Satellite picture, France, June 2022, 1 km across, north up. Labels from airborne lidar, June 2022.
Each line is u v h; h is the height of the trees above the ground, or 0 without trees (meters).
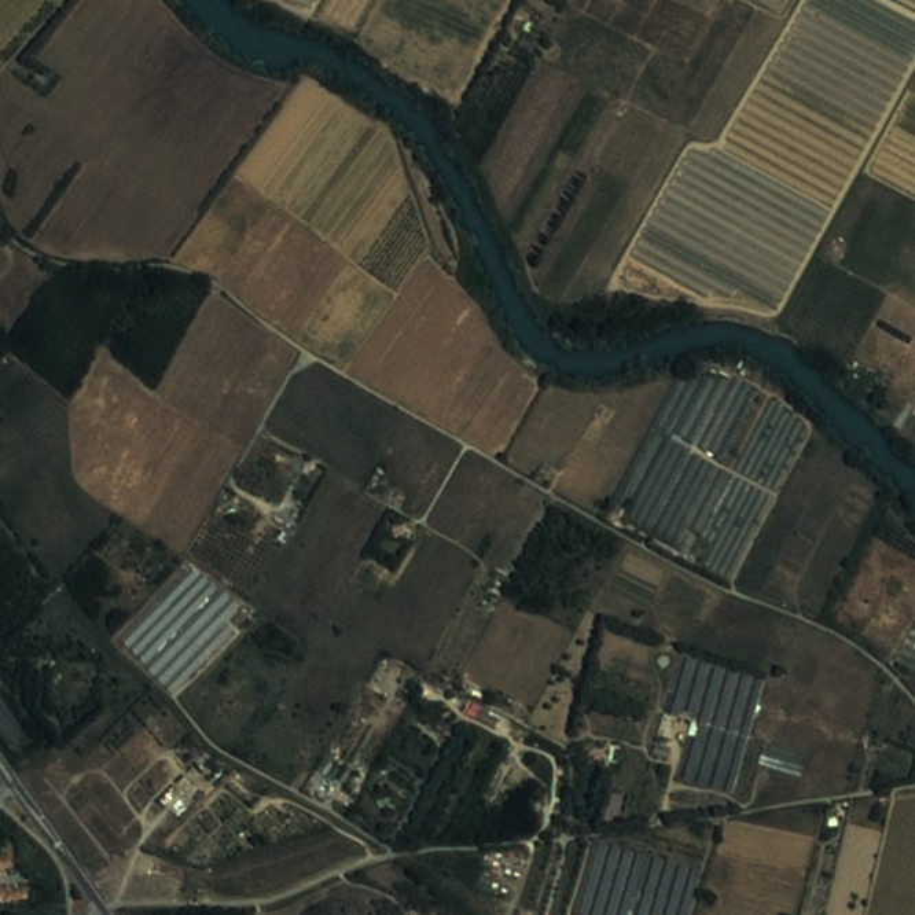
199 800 0
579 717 22
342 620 0
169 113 0
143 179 0
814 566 0
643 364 13
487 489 0
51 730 24
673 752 0
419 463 0
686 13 0
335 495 0
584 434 0
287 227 0
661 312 17
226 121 0
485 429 0
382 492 6
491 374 0
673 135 0
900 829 0
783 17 0
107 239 0
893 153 0
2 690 7
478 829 9
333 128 0
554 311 6
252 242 0
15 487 0
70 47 0
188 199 0
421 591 0
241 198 0
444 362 0
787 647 0
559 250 0
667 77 0
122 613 15
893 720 0
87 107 0
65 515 0
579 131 0
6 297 0
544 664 0
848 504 0
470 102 12
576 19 0
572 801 20
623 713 16
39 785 0
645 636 21
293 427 0
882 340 0
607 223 0
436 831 10
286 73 10
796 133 0
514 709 0
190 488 0
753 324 0
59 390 6
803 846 0
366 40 0
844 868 0
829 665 0
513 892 0
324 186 0
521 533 0
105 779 0
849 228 0
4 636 6
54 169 0
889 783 9
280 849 0
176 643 0
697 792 0
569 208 24
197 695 0
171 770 0
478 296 7
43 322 7
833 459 0
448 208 6
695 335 0
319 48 0
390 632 0
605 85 0
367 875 9
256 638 7
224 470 0
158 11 0
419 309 0
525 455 0
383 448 0
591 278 0
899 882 0
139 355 7
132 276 6
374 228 0
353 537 0
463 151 6
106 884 0
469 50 0
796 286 0
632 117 0
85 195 0
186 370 0
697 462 0
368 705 0
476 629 0
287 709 0
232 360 0
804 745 0
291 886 0
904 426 0
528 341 0
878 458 0
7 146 0
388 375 0
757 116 0
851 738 0
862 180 0
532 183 0
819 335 0
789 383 7
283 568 0
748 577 0
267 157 0
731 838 0
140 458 0
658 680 0
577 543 8
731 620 0
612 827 22
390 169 0
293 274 0
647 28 0
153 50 0
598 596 0
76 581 7
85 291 7
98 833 0
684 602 0
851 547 0
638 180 0
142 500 0
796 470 0
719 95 0
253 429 0
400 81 16
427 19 0
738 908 0
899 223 0
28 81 6
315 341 0
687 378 19
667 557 11
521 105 0
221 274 0
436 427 0
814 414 14
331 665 0
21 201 0
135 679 0
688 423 0
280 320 0
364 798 6
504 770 0
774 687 0
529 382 0
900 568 0
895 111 0
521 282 7
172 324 6
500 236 8
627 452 0
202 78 0
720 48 0
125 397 0
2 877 0
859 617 0
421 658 0
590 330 22
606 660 0
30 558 9
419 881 11
